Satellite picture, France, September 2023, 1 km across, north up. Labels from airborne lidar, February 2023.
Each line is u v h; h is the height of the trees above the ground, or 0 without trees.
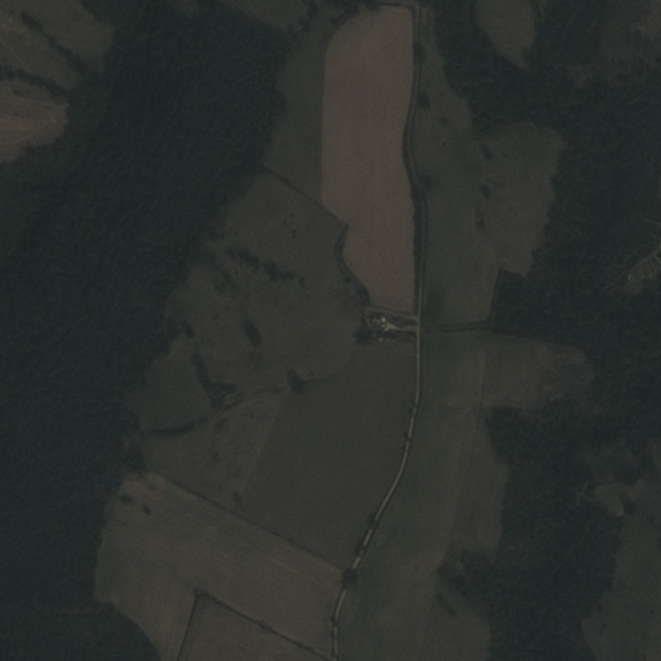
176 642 0
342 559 0
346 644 0
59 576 15
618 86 18
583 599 11
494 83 27
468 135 0
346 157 0
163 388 0
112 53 15
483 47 24
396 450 0
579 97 21
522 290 20
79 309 19
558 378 0
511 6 0
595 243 14
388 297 0
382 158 0
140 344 22
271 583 0
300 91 0
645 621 0
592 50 0
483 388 0
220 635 0
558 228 11
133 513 0
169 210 24
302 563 0
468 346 0
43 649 20
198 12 0
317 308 0
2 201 23
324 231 0
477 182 0
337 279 0
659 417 19
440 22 18
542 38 21
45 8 0
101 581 0
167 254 12
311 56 0
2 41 0
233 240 0
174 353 0
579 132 13
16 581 19
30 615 19
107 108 21
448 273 0
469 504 0
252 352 0
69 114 12
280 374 0
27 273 22
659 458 0
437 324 0
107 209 7
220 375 0
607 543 14
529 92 24
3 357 22
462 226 0
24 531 19
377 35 0
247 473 0
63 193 7
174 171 24
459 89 0
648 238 0
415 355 0
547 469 14
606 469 0
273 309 0
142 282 17
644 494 0
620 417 7
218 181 19
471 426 0
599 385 8
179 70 21
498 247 0
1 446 21
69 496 14
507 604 8
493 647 10
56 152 16
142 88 25
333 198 0
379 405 0
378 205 0
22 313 25
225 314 0
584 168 10
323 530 0
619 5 0
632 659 0
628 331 12
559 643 18
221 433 0
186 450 0
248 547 0
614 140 23
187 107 25
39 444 12
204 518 0
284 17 0
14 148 0
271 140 12
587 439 8
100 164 24
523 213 0
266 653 0
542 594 22
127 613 0
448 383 0
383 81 0
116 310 18
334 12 0
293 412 0
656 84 14
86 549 17
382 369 0
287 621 0
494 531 0
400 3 0
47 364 19
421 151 0
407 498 0
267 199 0
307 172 0
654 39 0
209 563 0
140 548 0
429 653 0
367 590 0
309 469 0
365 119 0
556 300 20
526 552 8
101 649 12
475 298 0
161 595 0
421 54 16
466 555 0
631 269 0
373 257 0
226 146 18
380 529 0
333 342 0
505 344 0
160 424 0
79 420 8
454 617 0
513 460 14
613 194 14
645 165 6
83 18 0
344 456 0
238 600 0
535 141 0
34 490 18
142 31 22
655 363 6
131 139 22
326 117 0
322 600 0
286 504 0
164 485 0
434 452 0
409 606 0
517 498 14
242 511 0
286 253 0
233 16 20
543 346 0
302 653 0
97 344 17
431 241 0
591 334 14
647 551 0
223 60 24
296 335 0
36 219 25
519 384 0
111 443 11
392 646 0
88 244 17
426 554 0
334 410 0
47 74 0
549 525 13
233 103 20
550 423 12
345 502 0
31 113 0
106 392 21
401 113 0
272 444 0
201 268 0
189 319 0
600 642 0
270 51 17
